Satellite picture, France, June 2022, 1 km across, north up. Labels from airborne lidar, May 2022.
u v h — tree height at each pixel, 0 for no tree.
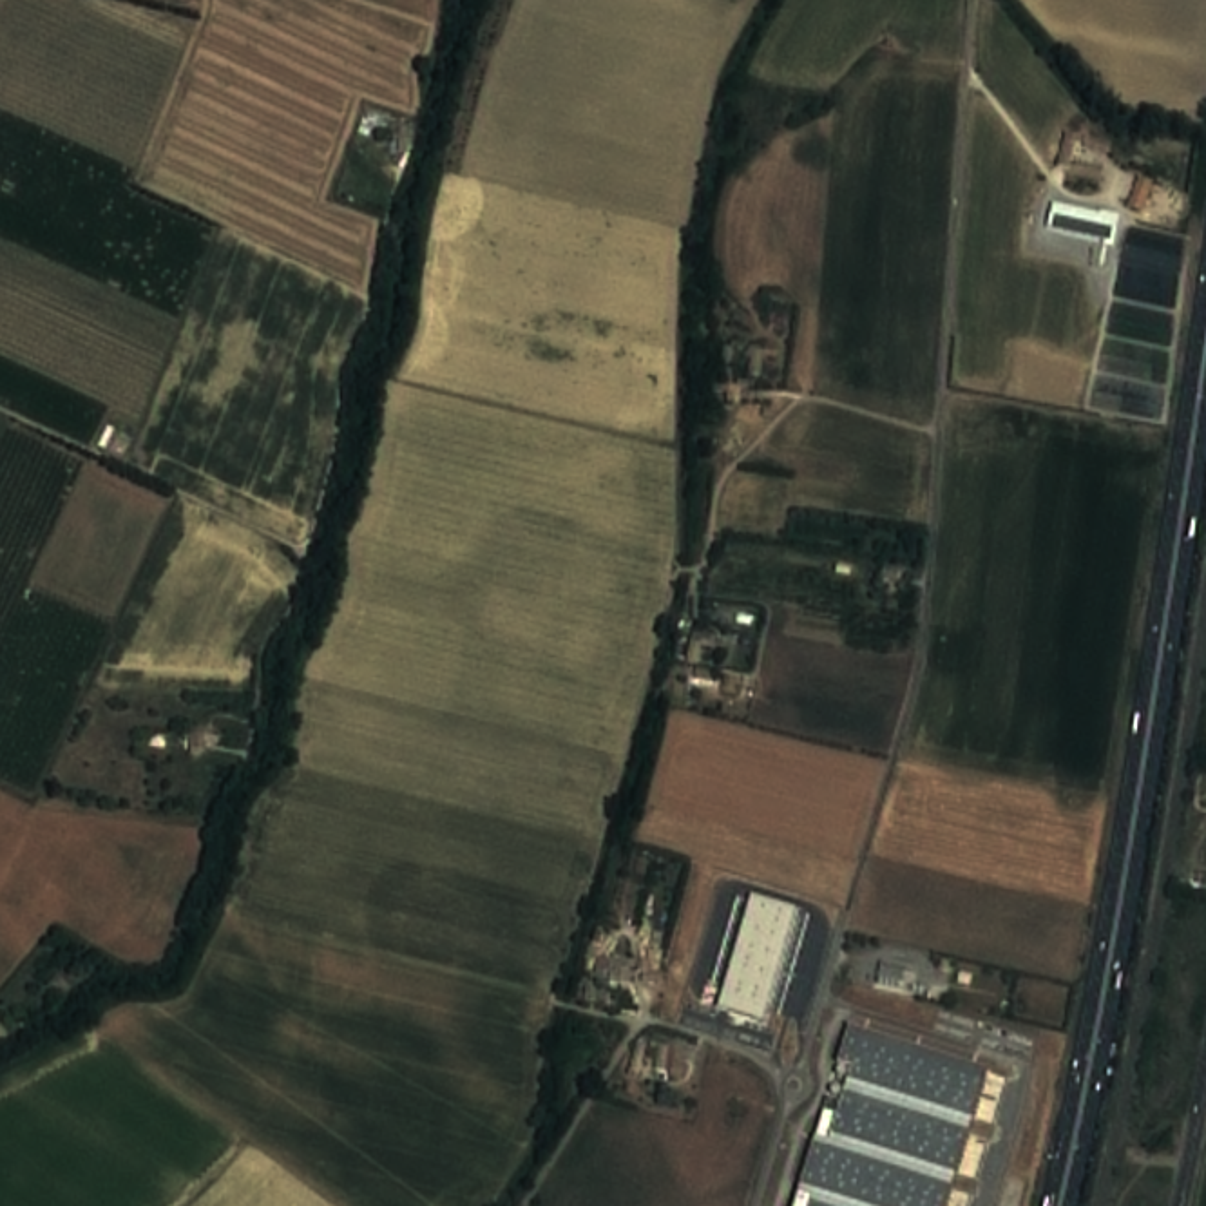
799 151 0
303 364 0
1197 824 0
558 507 0
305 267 0
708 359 6
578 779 0
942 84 0
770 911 0
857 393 0
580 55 0
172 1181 0
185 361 0
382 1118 0
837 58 0
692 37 0
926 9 0
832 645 0
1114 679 0
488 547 0
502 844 0
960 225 0
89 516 0
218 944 0
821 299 0
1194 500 0
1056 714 0
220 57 0
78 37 0
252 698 14
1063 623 0
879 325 0
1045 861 0
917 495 0
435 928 0
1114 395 0
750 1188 0
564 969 8
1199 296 0
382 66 0
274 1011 0
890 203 0
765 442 0
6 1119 0
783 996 0
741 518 0
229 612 0
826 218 0
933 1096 0
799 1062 0
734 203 0
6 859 0
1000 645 0
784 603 0
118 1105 0
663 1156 0
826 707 0
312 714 0
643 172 0
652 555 0
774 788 0
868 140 0
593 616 0
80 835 0
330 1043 0
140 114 0
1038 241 0
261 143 0
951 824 0
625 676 0
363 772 0
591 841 0
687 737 0
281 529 0
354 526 21
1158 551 0
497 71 0
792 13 0
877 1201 0
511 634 0
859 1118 0
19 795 0
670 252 0
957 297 0
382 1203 0
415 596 0
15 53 0
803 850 0
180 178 0
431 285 0
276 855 0
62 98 0
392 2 0
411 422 0
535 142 0
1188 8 0
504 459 0
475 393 0
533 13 0
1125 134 12
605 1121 0
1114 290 0
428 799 0
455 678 0
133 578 0
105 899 0
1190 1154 0
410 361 0
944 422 0
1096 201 0
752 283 0
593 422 0
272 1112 0
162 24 0
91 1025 15
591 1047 7
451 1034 0
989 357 0
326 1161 0
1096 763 0
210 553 0
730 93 12
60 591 0
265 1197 0
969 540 0
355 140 0
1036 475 0
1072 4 0
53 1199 0
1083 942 0
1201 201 0
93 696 0
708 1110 0
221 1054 0
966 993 0
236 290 0
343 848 0
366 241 0
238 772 16
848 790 0
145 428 0
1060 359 0
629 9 0
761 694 0
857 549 8
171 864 0
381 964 0
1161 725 0
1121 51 0
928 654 0
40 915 0
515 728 0
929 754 0
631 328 0
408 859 0
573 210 0
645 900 9
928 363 0
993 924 0
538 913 0
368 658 0
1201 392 0
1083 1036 0
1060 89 0
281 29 0
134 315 0
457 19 17
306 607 9
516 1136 0
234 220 0
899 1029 0
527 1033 0
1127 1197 0
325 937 0
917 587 8
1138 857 0
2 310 0
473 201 0
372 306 11
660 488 0
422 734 0
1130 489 0
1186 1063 0
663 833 0
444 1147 0
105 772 0
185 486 0
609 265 0
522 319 0
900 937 0
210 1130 0
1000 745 0
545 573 0
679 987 0
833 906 0
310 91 0
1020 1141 0
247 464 0
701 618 9
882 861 0
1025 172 0
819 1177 0
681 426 9
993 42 0
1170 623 0
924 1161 0
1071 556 0
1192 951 0
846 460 0
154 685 0
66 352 0
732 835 0
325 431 0
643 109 0
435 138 17
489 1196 0
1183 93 0
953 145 0
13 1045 16
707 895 0
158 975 8
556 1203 0
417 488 0
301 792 0
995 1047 0
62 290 0
